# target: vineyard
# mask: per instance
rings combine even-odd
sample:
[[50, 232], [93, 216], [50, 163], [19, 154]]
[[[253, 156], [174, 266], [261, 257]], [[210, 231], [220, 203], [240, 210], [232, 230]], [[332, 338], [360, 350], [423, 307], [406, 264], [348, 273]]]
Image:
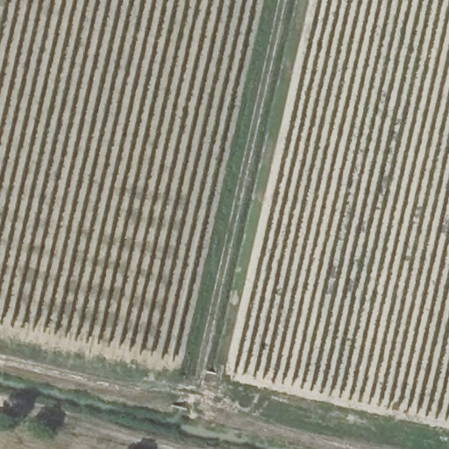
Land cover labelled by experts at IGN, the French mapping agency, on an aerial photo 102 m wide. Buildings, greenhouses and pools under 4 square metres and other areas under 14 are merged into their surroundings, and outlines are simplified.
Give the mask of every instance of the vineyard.
[[168, 412], [168, 423], [149, 419], [149, 424], [177, 433], [186, 424], [198, 426], [202, 421], [202, 417], [189, 417], [188, 396], [202, 395], [207, 389], [216, 391], [223, 384], [223, 375], [226, 374], [232, 377], [233, 381], [244, 382], [258, 388], [284, 391], [289, 395], [302, 396], [309, 400], [333, 403], [349, 409], [367, 410], [372, 414], [449, 430], [449, 0], [277, 0], [267, 53], [261, 67], [260, 84], [254, 100], [251, 125], [247, 130], [246, 146], [240, 161], [239, 177], [228, 216], [232, 232], [226, 232], [224, 235], [223, 249], [219, 256], [214, 288], [210, 293], [207, 319], [196, 360], [196, 374], [188, 382], [168, 382], [175, 368], [181, 367], [188, 347], [189, 331], [195, 316], [203, 268], [209, 253], [217, 205], [230, 160], [242, 93], [253, 58], [254, 42], [258, 35], [261, 9], [265, 0], [0, 0], [0, 339], [18, 339], [19, 342], [37, 344], [42, 349], [54, 349], [63, 353], [82, 353], [86, 358], [103, 356], [105, 360], [110, 361], [139, 361], [142, 367], [147, 367], [147, 377], [142, 377], [139, 382], [96, 381], [95, 377], [77, 374], [65, 368], [54, 368], [53, 365], [42, 365], [37, 361], [0, 354], [0, 370], [23, 375], [35, 382], [51, 382], [60, 388], [88, 389], [91, 395], [100, 396], [103, 400]]
[[114, 416], [114, 410], [100, 409], [89, 403], [77, 403], [61, 398], [63, 412], [74, 410], [102, 419], [103, 416]]

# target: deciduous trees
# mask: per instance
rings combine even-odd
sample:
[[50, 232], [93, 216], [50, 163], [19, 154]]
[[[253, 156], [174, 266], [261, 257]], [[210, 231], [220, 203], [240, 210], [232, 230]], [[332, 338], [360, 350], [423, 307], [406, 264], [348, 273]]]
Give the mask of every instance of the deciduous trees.
[[26, 417], [11, 417], [4, 414], [4, 409], [0, 407], [0, 431], [11, 431], [14, 437], [46, 440], [56, 437], [56, 431], [49, 430], [44, 421], [40, 421], [39, 416], [28, 414]]
[[63, 353], [54, 349], [42, 349], [37, 344], [19, 342], [18, 339], [0, 339], [0, 354], [37, 361], [42, 365], [53, 365], [54, 368], [65, 368], [77, 374], [95, 377], [96, 381], [139, 382], [142, 377], [147, 377], [147, 367], [142, 367], [139, 361], [110, 361], [105, 360], [103, 356], [86, 358], [82, 353]]
[[386, 442], [379, 435], [379, 431], [370, 430], [367, 426], [349, 421], [333, 426], [312, 423], [307, 407], [296, 403], [274, 402], [261, 414], [265, 423], [282, 424], [296, 430], [326, 437], [346, 438], [370, 445], [384, 445]]
[[219, 256], [223, 249], [224, 235], [226, 232], [232, 232], [228, 216], [239, 177], [240, 161], [246, 146], [247, 130], [251, 125], [254, 100], [260, 84], [261, 67], [267, 53], [277, 0], [265, 0], [261, 9], [258, 35], [254, 42], [253, 58], [242, 93], [230, 160], [217, 205], [209, 253], [203, 268], [195, 316], [189, 331], [188, 347], [181, 367], [175, 368], [168, 382], [188, 382], [196, 374], [196, 360], [207, 319], [210, 293], [214, 288]]
[[149, 424], [149, 419], [168, 423], [168, 412], [103, 400], [100, 396], [91, 395], [88, 389], [60, 388], [51, 382], [35, 382], [23, 375], [0, 370], [0, 395], [12, 396], [19, 388], [28, 388], [61, 398], [77, 403], [89, 403], [100, 409], [114, 410], [114, 416], [103, 416], [102, 419], [107, 423], [116, 424], [119, 428], [144, 433], [144, 437], [153, 438], [154, 442], [158, 442], [160, 438], [174, 442], [177, 433]]

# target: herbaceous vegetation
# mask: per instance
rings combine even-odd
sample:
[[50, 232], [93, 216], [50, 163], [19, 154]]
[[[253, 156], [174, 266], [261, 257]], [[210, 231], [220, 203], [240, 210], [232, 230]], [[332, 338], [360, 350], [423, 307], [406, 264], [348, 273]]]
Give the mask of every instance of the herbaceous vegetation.
[[[312, 423], [333, 426], [349, 421], [367, 426], [370, 430], [379, 431], [379, 435], [386, 442], [384, 445], [370, 445], [346, 438], [326, 437], [296, 430], [282, 424], [265, 423], [261, 414], [274, 402], [296, 403], [307, 407]], [[0, 449], [449, 449], [449, 430], [372, 414], [367, 410], [349, 409], [333, 403], [309, 400], [302, 396], [289, 395], [284, 391], [258, 388], [244, 382], [233, 381], [232, 377], [226, 374], [223, 375], [223, 384], [216, 391], [207, 389], [202, 395], [188, 396], [189, 417], [202, 417], [202, 421], [198, 426], [186, 424], [177, 433], [174, 442], [160, 438], [158, 442], [154, 442], [153, 438], [144, 437], [144, 433], [119, 428], [116, 424], [107, 423], [102, 419], [74, 410], [63, 412], [61, 398], [28, 388], [19, 388], [12, 396], [0, 395], [0, 407], [4, 409], [4, 414], [11, 417], [26, 417], [28, 414], [39, 416], [40, 421], [44, 421], [49, 430], [56, 431], [56, 437], [46, 440], [14, 437], [11, 431], [0, 431]]]

